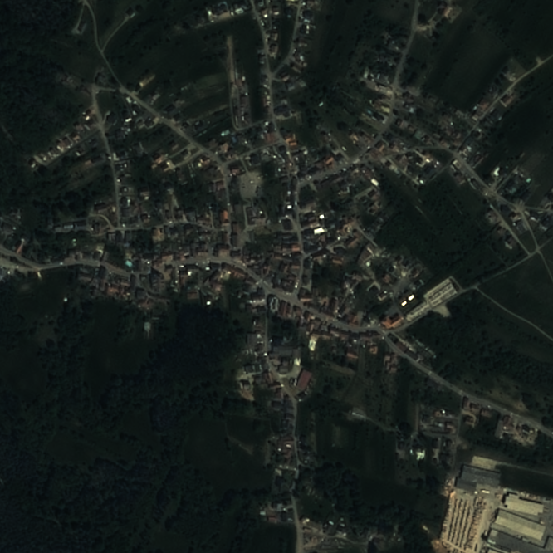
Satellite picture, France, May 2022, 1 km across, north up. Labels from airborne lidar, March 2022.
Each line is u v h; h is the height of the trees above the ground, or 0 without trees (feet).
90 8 0
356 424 0
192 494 56
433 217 0
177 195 0
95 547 87
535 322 0
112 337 0
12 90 83
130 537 37
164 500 80
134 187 0
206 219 0
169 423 93
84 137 0
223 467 0
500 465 0
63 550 97
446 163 0
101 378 0
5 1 94
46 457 43
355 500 49
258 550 0
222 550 0
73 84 0
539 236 0
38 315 0
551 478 0
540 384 35
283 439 0
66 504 72
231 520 0
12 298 69
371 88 0
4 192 66
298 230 0
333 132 0
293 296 0
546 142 0
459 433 0
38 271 0
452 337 22
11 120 76
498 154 0
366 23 29
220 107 0
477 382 21
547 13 0
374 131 0
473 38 0
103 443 0
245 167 0
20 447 63
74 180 30
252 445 0
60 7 97
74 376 75
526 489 0
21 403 59
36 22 98
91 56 0
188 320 117
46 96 81
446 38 0
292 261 0
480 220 0
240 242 0
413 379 33
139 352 0
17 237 34
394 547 0
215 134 0
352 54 22
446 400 0
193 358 133
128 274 0
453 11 0
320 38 0
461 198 0
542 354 0
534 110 0
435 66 0
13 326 66
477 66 0
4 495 59
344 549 0
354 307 0
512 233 0
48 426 43
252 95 0
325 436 0
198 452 0
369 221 0
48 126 70
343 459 0
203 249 0
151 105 0
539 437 19
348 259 0
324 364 26
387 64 26
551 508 0
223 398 0
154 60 0
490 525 0
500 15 0
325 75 0
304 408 0
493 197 0
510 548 0
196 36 0
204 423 0
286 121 0
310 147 0
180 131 0
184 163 0
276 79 0
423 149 0
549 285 0
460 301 0
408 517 43
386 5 0
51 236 33
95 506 26
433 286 0
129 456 0
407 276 0
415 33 0
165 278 0
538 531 0
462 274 0
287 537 0
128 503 68
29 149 51
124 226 0
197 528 61
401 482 0
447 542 0
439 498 0
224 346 111
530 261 0
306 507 0
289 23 0
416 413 0
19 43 80
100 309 0
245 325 0
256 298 0
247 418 0
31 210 0
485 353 37
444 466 54
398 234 0
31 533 64
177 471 75
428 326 18
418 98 0
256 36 0
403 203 31
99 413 55
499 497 0
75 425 0
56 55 0
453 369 23
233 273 0
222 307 0
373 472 0
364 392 0
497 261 0
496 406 0
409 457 0
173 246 0
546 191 0
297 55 0
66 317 48
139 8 34
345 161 0
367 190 0
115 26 0
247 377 0
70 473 65
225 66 0
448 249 0
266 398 0
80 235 24
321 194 0
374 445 0
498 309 0
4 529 69
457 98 0
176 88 0
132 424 0
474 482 0
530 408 37
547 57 0
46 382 0
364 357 0
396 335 0
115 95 19
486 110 0
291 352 0
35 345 0
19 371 0
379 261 0
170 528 59
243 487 0
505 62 0
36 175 42
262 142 0
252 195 0
